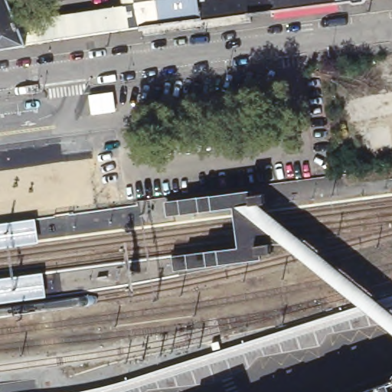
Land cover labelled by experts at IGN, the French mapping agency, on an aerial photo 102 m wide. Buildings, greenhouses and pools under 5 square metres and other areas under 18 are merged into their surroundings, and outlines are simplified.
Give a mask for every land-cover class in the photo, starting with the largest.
<instances>
[{"label":"impervious surface","instance_id":"1","mask_svg":"<svg viewBox=\"0 0 392 392\"><path fill-rule=\"evenodd\" d=\"M64 6L60 8L63 15L115 8L119 5V0H63ZM383 47L387 51H392V0H337L299 8L142 26L141 31L110 32L31 46L24 41L15 43L14 46L0 47V224L34 219L38 245L121 234L129 222V211L135 216L136 231L214 220L228 222L233 219V214L220 213L219 210L168 216L165 211L167 201V194L170 191L176 193L191 182L199 181L201 173L254 164L250 159L228 161L222 156H208L199 159L198 156L185 153L175 155L173 161L167 162L164 173H158L155 168L147 165H135L130 159V150L124 141V118L130 115L133 109H141L149 103L164 104V101H176L181 104L193 92L210 98L228 92L237 95L242 89L262 92V100L266 101L274 93V81H285L288 83L289 110L294 115H305L311 127L303 129L302 149L296 150L294 155H288L283 149L274 147L262 153L257 158L259 159H271L274 171L271 187L276 188L302 210L392 198V171L383 176L369 173L366 178L341 175V179L332 181L325 176L326 164L323 161L315 158L317 155L326 156V150H314L315 142H320V133H314L312 126H325L328 119L325 116L326 104L325 100H320V89L311 86V81H315V78L311 77H303V72L317 61L345 57L355 63L360 58L371 57L372 52H378ZM132 259L129 262L122 260L77 268L51 269L40 273L46 294L72 289L100 292L115 291L127 286L135 288L149 283L179 279L176 269L171 256L139 259V273L130 271ZM386 375L392 377V335L387 334L371 317L364 315L358 306L354 305V308L348 311L337 312L276 334L245 341L220 352H211L130 380H124L119 374L89 383L44 389H38L32 380L0 381V392H371L381 384L389 383Z\"/></svg>","mask_w":392,"mask_h":392},{"label":"pervious surface","instance_id":"2","mask_svg":"<svg viewBox=\"0 0 392 392\"><path fill-rule=\"evenodd\" d=\"M311 77L315 78V81H311V86L320 89V100H325L326 104L325 116L328 119L325 126H312L314 133H320V142H315L314 150H326V156L317 155L315 158L323 161L340 155L346 147L355 152L364 164H369L375 159H392V51H387L386 60L372 61L371 69L364 70L358 75L345 73L341 77L335 70H314ZM274 171L271 159H259L254 164L201 173L199 181L191 182L176 193L170 191L167 194V201L233 191H248L250 196L260 194V210L265 211L288 233L305 243L306 247L311 248L318 257H322L329 266L352 285L357 286L367 297L378 303L381 299L392 296V198L302 210L276 188L271 187ZM129 222L121 234L38 245L0 250V279L40 273L51 269L77 268L122 260L129 262L132 259L130 271L139 273V259L171 256L233 248V228L228 222L214 220L136 231L135 216L129 211ZM179 279L149 283L135 288L127 286L115 291L100 292L72 289L46 294L44 299L0 305V381L32 380L38 389H44L89 383L119 374L124 380H130L211 352H220L245 341L276 334L337 312L348 311L354 308V305L277 243L274 245L273 254L259 259L176 269Z\"/></svg>","mask_w":392,"mask_h":392},{"label":"building","instance_id":"3","mask_svg":"<svg viewBox=\"0 0 392 392\"><path fill-rule=\"evenodd\" d=\"M6 0H0V47L14 46L15 43L24 41L31 46L110 32L141 31L142 26L299 8L337 0H119V5L115 8L63 15L54 18L51 28H47L43 35H24L15 23H11L5 8ZM260 194L250 196L248 191H233L167 201L165 211L168 216L219 210L220 213L233 214V219L228 222L233 228V248L171 256L176 269L259 259L273 254L274 245L277 243L354 305L358 306L364 315L371 317L387 334L392 335V296L381 299L378 303L367 297L357 286L352 285L329 266L322 257H318L311 248L306 247L305 243L288 233L265 211L260 210ZM38 245L34 219L0 224V250ZM46 294L40 273L0 279V305L44 299ZM389 383L381 384L371 392H392V377L386 375Z\"/></svg>","mask_w":392,"mask_h":392},{"label":"deciduous trees","instance_id":"4","mask_svg":"<svg viewBox=\"0 0 392 392\"><path fill-rule=\"evenodd\" d=\"M64 6L63 0H6L5 8L11 23H15L24 35H43L47 28H51L54 18L63 15L60 8ZM387 51L383 47L378 52H372L371 57L360 58L355 63L345 57L317 61L303 72V77H311L314 70H335L341 77L345 73L358 75L364 70L371 69L372 61L386 60ZM274 93L266 101L262 100V92L242 89L237 95L228 92L210 98L193 92L181 104L176 101H164V104L149 103L141 109H133L130 115L124 118V141L130 150V159L135 165H147L155 168L158 173H164L167 162L173 161L175 155L185 153L198 156L199 159L208 156H222L228 161L250 159L254 164L259 159L257 158L262 153L274 147L283 149L288 155H294L296 150L302 149L303 129L311 127L305 115H294L289 110L288 83L285 81H274ZM326 164L325 176L332 181L341 179V175L366 178L369 173L383 176L392 171V159H375L369 164H364L355 152L346 147L340 155L323 161Z\"/></svg>","mask_w":392,"mask_h":392}]
</instances>
